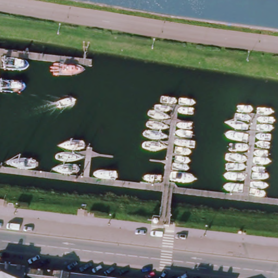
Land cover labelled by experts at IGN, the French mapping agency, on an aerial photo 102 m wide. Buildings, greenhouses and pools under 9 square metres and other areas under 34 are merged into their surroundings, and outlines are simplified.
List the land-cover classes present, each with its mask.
<instances>
[{"label":"water","instance_id":"1","mask_svg":"<svg viewBox=\"0 0 278 278\"><path fill-rule=\"evenodd\" d=\"M0 49L76 56L90 59L92 62L91 66L85 65L84 68L56 61L31 59L25 64L23 60H14L12 56L0 62V166L10 168L13 165L24 170L36 168L49 173L53 168L56 172L79 177L83 175L85 166V160H81V156H85L87 148L91 147L94 152L111 154L113 157H92L89 176L94 174L101 179L117 177L118 180L134 182H140L143 178L148 181L161 180L160 175H164V164L152 163L150 159L165 160L167 152L162 143L163 138L169 135V130L166 129V125L153 122L155 118L163 119L172 115L174 112L170 108L176 102V98H180L181 103L194 104V108L178 109V127L192 126V131L177 130V135L192 136L193 140H176L177 151L190 155L176 156L174 166L178 169H188L189 174L178 178L177 173L172 172L169 174L170 180L177 181L179 188L222 193L239 191L243 189L244 184V165H248L244 155L250 143L247 135L250 129L247 125L251 124L250 115H242V112H251L252 106H256L258 122H266L267 125L256 126V130L265 131L264 135H257L258 142L254 146L256 151L253 162L258 164L253 167L254 177L250 182V189L257 198H262L266 194L268 198L278 199V80L140 60L125 55L64 47L47 42L0 37ZM0 188L88 194L98 199L106 197L123 203L162 201L160 191L0 173Z\"/></svg>","mask_w":278,"mask_h":278},{"label":"impervious surface","instance_id":"2","mask_svg":"<svg viewBox=\"0 0 278 278\"><path fill-rule=\"evenodd\" d=\"M0 11L46 18L58 23L97 26L102 27V30L126 31L151 36L153 39L166 38L241 48L244 52L278 53V37L159 21L37 0H0ZM12 56L14 60H23L25 64L31 59L56 61L84 68L85 65L91 66L92 62L90 59L76 56L0 49V62ZM180 98H176V102L170 108L174 112L172 115L163 119L155 118L153 122L166 125V129L169 130V135L163 138L162 143L167 152L165 160L150 159L152 163L164 164V175H160L161 180L148 181L143 178L140 182H134L118 180L117 177L101 179L94 174L89 176L92 157H113L111 154L94 152L91 147L87 148L85 156H81V160H85V166L83 175L79 177L56 172L53 168L49 173L36 168L24 170L13 165L10 168L0 166V173L160 191L162 201L160 215L152 218L150 224L143 225L128 220L98 217L80 208L77 214L72 215L17 208L13 203L0 199V278H31L28 276L29 270L38 268L123 278H278V238L252 236L243 231L182 229L170 223V205L173 193H179L278 205V199L268 198L266 194L262 198H257L250 189V182L254 177L253 167L258 164L253 162L256 151L254 146L258 142L257 135H264L265 131L256 130V126L267 125L266 122H258L256 106H252L251 112H242V115H250L251 124L247 125L250 129L247 135L250 143L244 155L248 165H244V184L243 189L239 191L222 193L179 188L177 181L170 180L169 174L172 172L177 173L178 178L189 174L188 169H178L174 166L176 156L190 155L177 151L176 140H193L192 136L177 135V130L192 131V126L178 127V109L194 108V104L181 103Z\"/></svg>","mask_w":278,"mask_h":278},{"label":"herbaceous vegetation","instance_id":"3","mask_svg":"<svg viewBox=\"0 0 278 278\"><path fill-rule=\"evenodd\" d=\"M159 21L278 37V29L216 21L208 23L191 17L156 14L79 0H37ZM0 37L47 42L64 47L125 55L140 60L278 80V53L244 52L241 48L166 38L153 39L151 36L126 31L102 30V27L97 26L58 23L46 18L0 11ZM0 199L13 203L17 208L72 215L77 214L80 208L98 217L128 220L143 225L150 224L152 218L160 215L162 201L123 203L106 197L98 199L88 194L0 188ZM170 223L182 229L243 231L252 236L278 238V205L179 193H173L170 205Z\"/></svg>","mask_w":278,"mask_h":278},{"label":"building","instance_id":"4","mask_svg":"<svg viewBox=\"0 0 278 278\"><path fill-rule=\"evenodd\" d=\"M156 14L191 17L208 23L216 21L278 29V0H79ZM28 276L31 278H123L38 268L29 270Z\"/></svg>","mask_w":278,"mask_h":278}]
</instances>
